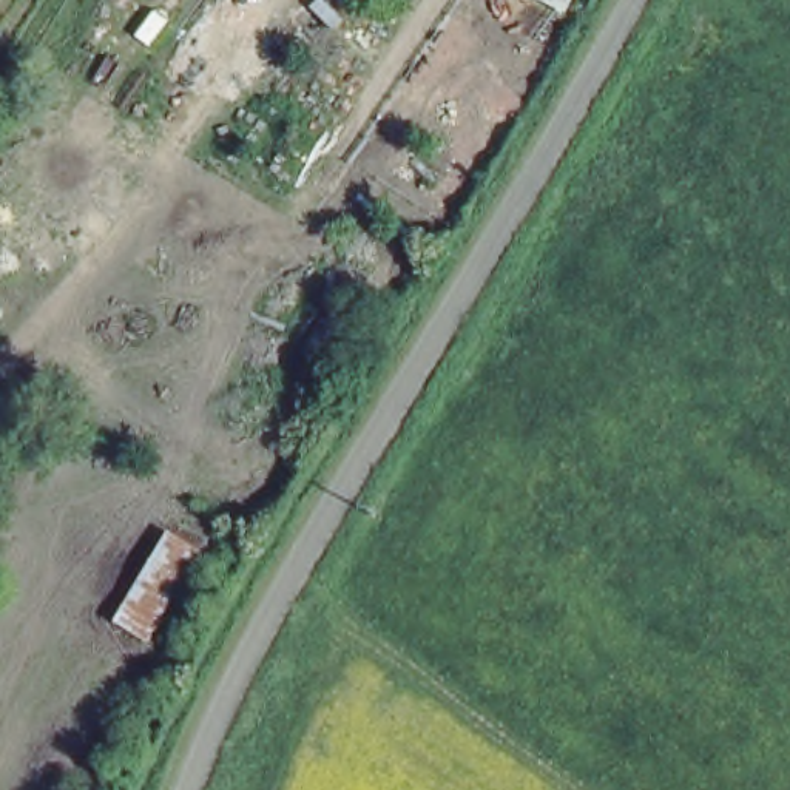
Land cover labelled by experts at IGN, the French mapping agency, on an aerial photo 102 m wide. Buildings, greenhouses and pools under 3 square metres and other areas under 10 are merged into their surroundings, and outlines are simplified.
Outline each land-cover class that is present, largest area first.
<instances>
[{"label":"agricultural land","instance_id":"1","mask_svg":"<svg viewBox=\"0 0 790 790\"><path fill-rule=\"evenodd\" d=\"M759 22H768L762 37L713 52L704 49L691 62V74L660 68L657 77L645 83L639 108L630 114V123L617 127L599 142V151L586 160V179L574 176L565 182V204L555 210V235H549L546 250L540 253L528 278L525 315H512L506 327H497L494 346L484 352L478 373L457 392L454 401H447L444 417L435 426H429L423 447L414 454L410 469L404 472V481L389 494L380 522L370 528L361 555L346 574V599L352 602L355 617L361 623H373L380 636H386L426 667L438 670V676L451 688H457L475 710L503 722L515 741L528 744L540 759H549L555 768L583 781L586 790H790V15L781 6L762 9ZM333 704L321 707L312 716L302 747L293 756L287 790H549L537 775L515 765L512 756L488 747L481 738L466 731L451 713L438 710L432 701L401 694L370 663H352L346 670V679L330 691Z\"/></svg>","mask_w":790,"mask_h":790},{"label":"pervious surface","instance_id":"2","mask_svg":"<svg viewBox=\"0 0 790 790\"><path fill-rule=\"evenodd\" d=\"M586 0H571L562 15L559 9L540 0H414V9L404 15L395 43L364 83L358 114H352L349 123H336L330 133H324L336 151L324 154L318 164L302 160L284 213L256 201L231 179L207 173L188 154L194 139L210 127L213 117L225 114L235 99L253 93L256 77L265 65H284L293 37L284 31L293 22L306 19L299 0H216L207 6L204 19L191 31L182 28L176 34L179 49L167 71V99H173V111L160 120V139L154 154H117L111 148L114 136L108 130L117 117L114 105L102 108L86 96L80 99L74 117L56 105L49 108L40 127L12 133L0 154V392H12L22 380L34 376L43 364L52 361L59 367H68L80 380L86 395L96 398L102 429L127 426L133 438H154V475L139 478L130 472H117L114 466L89 454L80 463H59L49 481H37L34 466L15 475L12 491L19 497V512L9 528H0V565H9L19 580L15 602L0 614V701L12 694L25 660L40 648L43 639L59 645L93 639L96 645H102L120 663V670L74 707L71 728L52 734L56 750L68 753L74 759V768L86 765L99 747H108L105 722L114 710V694L123 685L154 676L157 670L145 657L151 645L127 633L114 620V611L127 599L133 580L148 562L151 549L157 546L160 534H176L191 543L194 555L182 559L179 565L191 574L201 568L207 555L216 552V518H253L281 497L296 466L284 457L275 463L272 451L247 432L207 423L204 404L228 380L231 364H278L281 343L259 336L256 330H247V324L253 321L287 330L281 318H265L253 309L262 290L272 299V309L290 312L299 302L302 278H312L315 272L333 290L352 284L355 275L364 278L370 287L392 284V290H401L414 281L417 268L407 253L414 231L435 235L457 222L463 204L475 188L478 173L500 151L506 133L525 111L552 56L562 46V37L583 12ZM410 123L444 139V151L435 160H420L414 151H404ZM380 191L392 198V207L401 216V225L389 241V250L367 238V231L373 228L370 204Z\"/></svg>","mask_w":790,"mask_h":790},{"label":"herbaceous vegetation","instance_id":"3","mask_svg":"<svg viewBox=\"0 0 790 790\"><path fill-rule=\"evenodd\" d=\"M216 0H77L68 34L49 49L52 62L62 68L56 105L74 117L80 99L86 96L102 108L114 105L117 117L108 130L114 136L111 148L117 154H154L160 139V120L173 111V99H167V71L179 49L176 34L182 28L191 31L204 19L207 6ZM315 0H299L306 19L293 22L284 31L293 37L312 52L309 71L290 74L284 65H265L256 77L253 93L235 99L225 114L213 117L210 127L194 139L188 154L207 173L231 179L256 201L284 213L302 160L318 164L324 154L336 151L324 133H330L336 123H349L352 114H358L364 83L395 43L404 15L386 25L339 12V25H324V19L312 6ZM620 0H586L583 12L562 37V46L552 56L525 111L506 133L500 151L478 173L475 188L463 204L457 222L435 235L426 259L417 268L414 281L401 290V299L395 302V321L383 330L386 355L401 367L414 343L423 336L432 312L447 296L472 244L488 228L506 188L531 157L534 145L540 142L549 117L562 105L571 80L583 68L589 49L602 37ZM781 6L790 15V0H651L617 68L599 93L586 123L580 127L568 154L562 157L549 185L543 188L534 213L518 228L503 262L488 281L481 299L466 315L451 352L429 380L423 398L410 410L383 463L373 469L367 488L361 491L343 528L330 540L324 559L312 571L302 596L293 602L281 633L272 642V654L259 667L247 691V701L222 744L219 765L207 790H287L293 756L302 747L312 716L321 707L333 704L330 691L346 679V670L352 663H370L401 694L432 701L438 710L451 713L466 731L481 738L488 747L512 756L515 765L537 775L549 790H586L583 781L555 768L549 759H540L528 744L515 741L503 722L475 710L457 688H451L438 676V670L426 667L386 636H380L373 623H361L355 617L352 602L346 599V574L361 555L370 528L380 522L389 494L404 481V472L410 469L414 454L423 447L429 426H435L444 417L447 401H454L457 392L478 373L484 352L494 346L497 327H506L512 315H525L528 278L540 253L546 250L549 235H555V210L565 204V182L574 176L586 179V160L599 151V142L617 127L630 123V114L639 108L645 83L657 77L660 68L691 74V62L704 49L713 52L762 37L768 22H759L762 9ZM333 290L315 272L312 278H302L299 302L290 312L272 309V299L262 290L253 309L265 318H281L287 330L253 321L247 324V330H256L259 336L281 343L278 364H231L228 380L204 404L207 423L247 432L272 451L275 463L284 457L281 429L293 420L296 410H302L299 386L315 376L312 349L318 339L330 336L333 327ZM386 389L373 376H361L358 404H343L336 423H327L312 438L309 451L299 457L296 466L281 497L253 518L250 540L265 552L259 559H250L244 552L241 568L219 596L191 599L185 611L201 623V642L194 648V657L185 667H179L176 676V694L188 704L179 707L176 716L164 710L157 738L151 741L157 759L151 762L142 790H173L188 741L204 716V707L235 645L241 642V633L247 630L287 552L293 549L312 509L321 503L343 460L361 438ZM133 438L127 426L102 429L99 444H93L89 454L114 466L123 444ZM120 670V663L102 645H96L93 639L59 645L43 639L40 648L25 660L12 694L0 701V790H56L59 778L74 768V759L68 753L56 750L52 734L71 728L74 707Z\"/></svg>","mask_w":790,"mask_h":790},{"label":"deciduous trees","instance_id":"4","mask_svg":"<svg viewBox=\"0 0 790 790\"><path fill-rule=\"evenodd\" d=\"M414 9V0H339V12L386 25L404 15ZM312 52L293 37L284 65L290 74L309 71ZM62 68L52 62L49 49L37 46L31 56H25L19 65L0 74V154L12 133L40 127L49 108L56 105ZM404 151H414L420 160H435L444 151V139L410 123ZM373 228L367 231V238L389 250V241L401 225V216L392 207V198L380 191L370 204ZM435 235L414 231L407 253L417 268L426 259ZM401 299V290H392V284L370 287L364 278L355 275L352 284L333 290V327L330 336L318 339L312 349L315 376L299 386L302 410H296L293 420L281 429L284 457L296 466L299 457L309 451L312 438L327 423H336L343 404H358L361 376H373L386 389L392 386L401 367L386 355L383 330L395 321V302ZM102 429L96 398L86 395L80 380L68 367H59L52 361L43 364L34 376L22 380L12 392H0V528H9L19 512V497L12 491L15 475L34 466L37 481H49L59 463H80L89 454L93 444H99ZM117 472H130L139 478L154 475V438H133L123 444L114 466ZM216 552L207 555L201 568L191 574V599L219 596L241 568L244 552L250 559H259L265 552L250 540L253 518H216ZM19 580L9 565H0V614L15 602ZM201 642V623L185 611V617L170 626L173 654L157 670L154 676L123 685L114 694V710L105 722L108 747H99L86 765L74 768L59 778L56 790H142L151 762L157 759L151 741L157 738L164 710L176 716L179 707L188 704L176 694V676L179 667H185L194 657V648Z\"/></svg>","mask_w":790,"mask_h":790},{"label":"impervious surface","instance_id":"5","mask_svg":"<svg viewBox=\"0 0 790 790\"><path fill-rule=\"evenodd\" d=\"M651 0H620L602 37L589 49L583 68L571 80L562 105L549 117L540 142L534 145L531 157L506 188L488 228L472 244L447 296L432 312L423 336L414 343L401 367L392 386L386 389L361 438L343 460L321 503L312 509L293 549L287 552L247 630L241 633V642L235 645L204 707V716L188 741L173 790H207L219 765L222 744L247 701V691L259 667L272 654V642L281 633L293 602L302 596L312 571L324 559L330 540L343 528L361 491L367 488L373 469L383 463L410 410L423 398L429 380L451 352L466 315L481 299L488 281L503 262L518 228L534 213L543 188L549 185L562 157L568 154L580 127L586 123L599 93L617 68Z\"/></svg>","mask_w":790,"mask_h":790},{"label":"building","instance_id":"6","mask_svg":"<svg viewBox=\"0 0 790 790\"><path fill-rule=\"evenodd\" d=\"M312 6L324 19V25H339V0H315ZM559 9L562 15L571 0H540ZM194 555L191 543L176 534H160L157 546L151 549L148 562L133 580L127 599L114 611V620L127 633L151 645L145 657L157 670L173 654L170 626L185 617V611L191 599V574L179 565L182 559Z\"/></svg>","mask_w":790,"mask_h":790},{"label":"vineyard","instance_id":"7","mask_svg":"<svg viewBox=\"0 0 790 790\"><path fill-rule=\"evenodd\" d=\"M77 0H0V74L19 65L25 56H31L37 46L49 49L68 34Z\"/></svg>","mask_w":790,"mask_h":790}]
</instances>
